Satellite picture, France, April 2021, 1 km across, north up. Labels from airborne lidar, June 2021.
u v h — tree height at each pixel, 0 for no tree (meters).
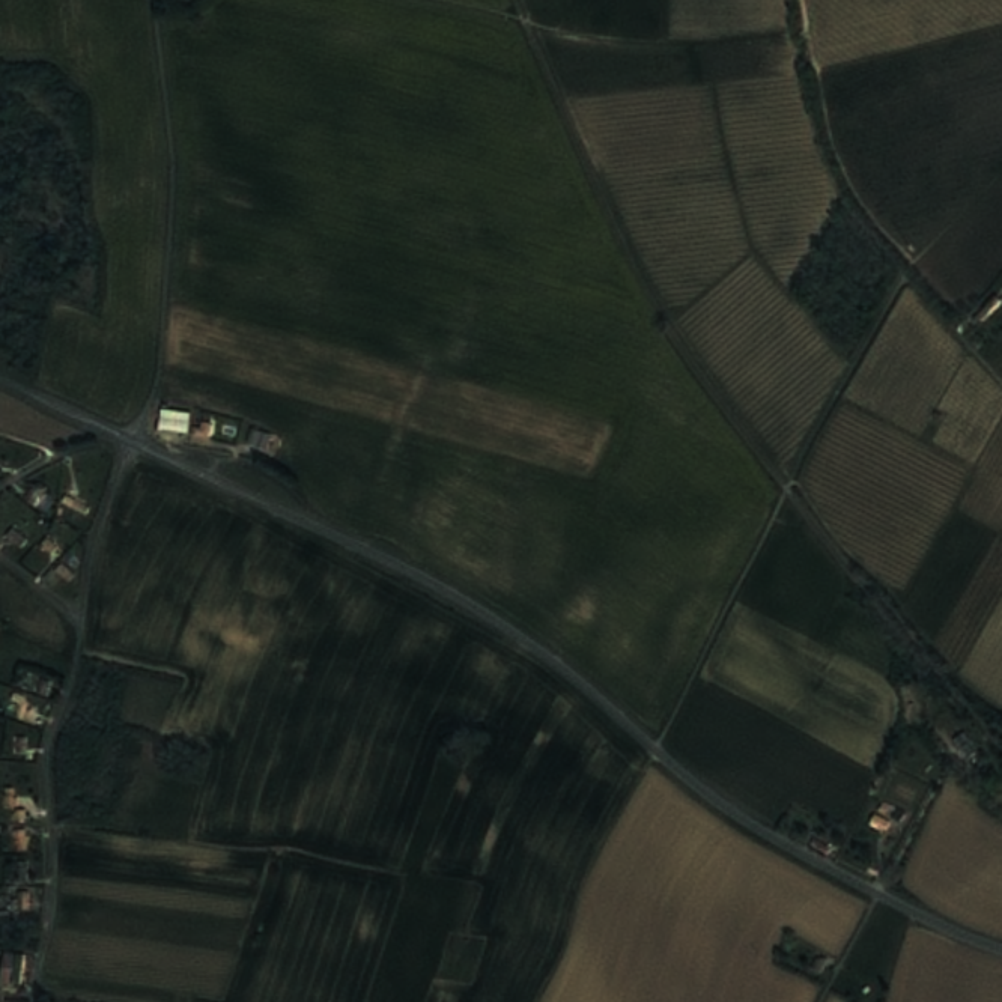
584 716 0
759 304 0
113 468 0
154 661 0
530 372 0
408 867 0
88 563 0
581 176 0
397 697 0
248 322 0
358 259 0
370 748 0
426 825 0
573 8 0
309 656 0
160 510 0
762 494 0
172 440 0
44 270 6
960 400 0
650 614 0
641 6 0
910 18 0
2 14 0
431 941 0
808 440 0
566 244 0
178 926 0
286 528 0
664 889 0
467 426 0
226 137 0
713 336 0
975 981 0
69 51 0
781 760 0
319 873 0
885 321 0
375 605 0
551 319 0
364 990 0
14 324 9
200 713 0
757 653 0
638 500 0
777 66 0
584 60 0
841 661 0
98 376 0
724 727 0
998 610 0
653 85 0
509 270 0
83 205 7
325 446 0
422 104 0
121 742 9
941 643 0
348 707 0
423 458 0
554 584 0
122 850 0
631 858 0
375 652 0
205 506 0
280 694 0
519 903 0
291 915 0
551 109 0
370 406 0
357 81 0
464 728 17
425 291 0
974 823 0
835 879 0
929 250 0
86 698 9
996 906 0
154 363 0
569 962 0
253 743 0
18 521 0
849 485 0
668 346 0
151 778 0
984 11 0
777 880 0
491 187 0
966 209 0
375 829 0
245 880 0
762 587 0
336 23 0
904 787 0
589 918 0
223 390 0
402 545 0
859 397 0
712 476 0
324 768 0
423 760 0
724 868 0
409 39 0
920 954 0
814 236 0
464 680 0
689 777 0
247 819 0
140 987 0
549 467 0
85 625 0
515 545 0
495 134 0
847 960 0
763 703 0
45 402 0
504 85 0
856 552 0
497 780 0
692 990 0
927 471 0
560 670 0
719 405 0
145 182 0
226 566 0
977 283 0
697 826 0
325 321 0
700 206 0
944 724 0
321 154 0
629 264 0
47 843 0
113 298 0
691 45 0
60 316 0
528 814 0
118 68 0
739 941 0
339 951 0
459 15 0
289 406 0
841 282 19
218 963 0
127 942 0
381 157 0
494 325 0
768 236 0
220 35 0
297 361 0
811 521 0
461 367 0
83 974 0
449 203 0
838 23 0
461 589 0
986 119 0
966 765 11
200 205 0
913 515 0
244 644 0
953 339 0
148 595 0
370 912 0
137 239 0
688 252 0
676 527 0
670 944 0
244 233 0
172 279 0
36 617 0
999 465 0
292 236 0
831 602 0
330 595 0
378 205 0
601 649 0
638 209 0
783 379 0
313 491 0
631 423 0
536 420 0
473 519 0
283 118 0
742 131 0
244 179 0
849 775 0
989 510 0
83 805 14
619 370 0
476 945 0
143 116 0
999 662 0
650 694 0
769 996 0
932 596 0
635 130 0
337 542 0
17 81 8
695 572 0
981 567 0
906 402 0
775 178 0
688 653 0
